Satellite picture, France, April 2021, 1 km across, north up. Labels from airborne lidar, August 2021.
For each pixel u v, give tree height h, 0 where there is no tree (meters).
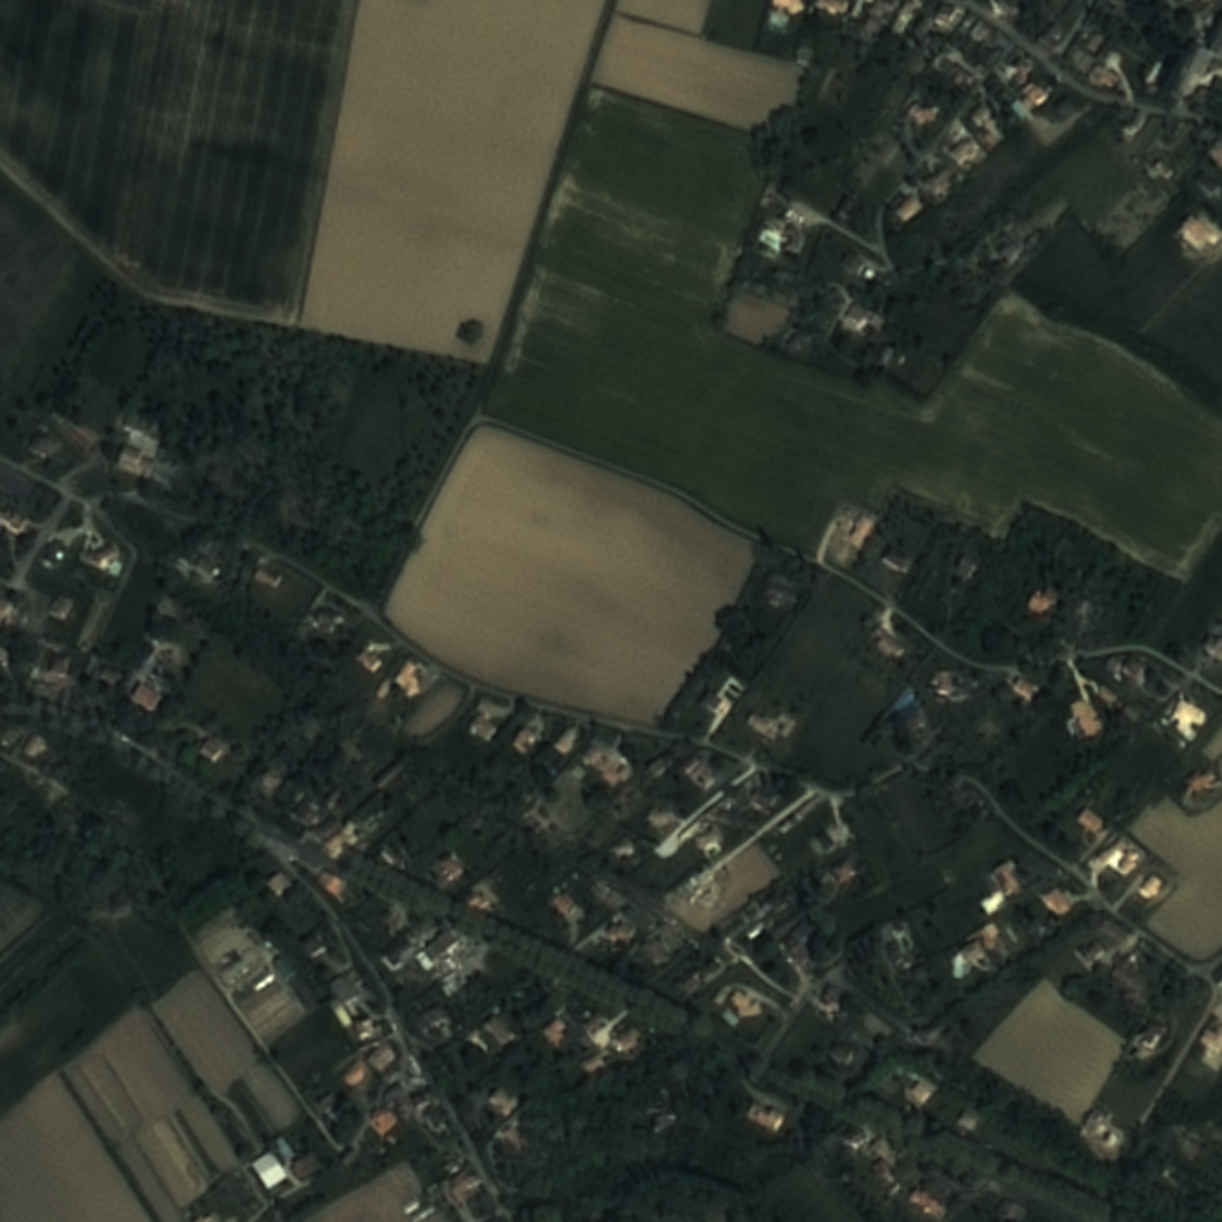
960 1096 11
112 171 0
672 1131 7
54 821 10
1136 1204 17
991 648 15
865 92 0
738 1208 13
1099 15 8
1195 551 0
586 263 0
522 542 0
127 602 0
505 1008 6
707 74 0
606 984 25
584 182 0
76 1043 6
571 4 0
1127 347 0
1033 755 0
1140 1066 8
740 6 0
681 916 0
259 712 0
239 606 6
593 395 0
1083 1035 0
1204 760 0
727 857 0
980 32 0
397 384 0
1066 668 6
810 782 12
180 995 0
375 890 21
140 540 11
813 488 0
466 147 0
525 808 13
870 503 0
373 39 0
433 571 0
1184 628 0
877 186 0
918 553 0
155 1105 0
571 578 0
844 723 0
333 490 7
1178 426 0
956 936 0
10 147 0
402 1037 0
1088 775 8
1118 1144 0
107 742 20
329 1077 0
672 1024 23
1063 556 10
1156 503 0
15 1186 0
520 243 0
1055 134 0
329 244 0
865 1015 8
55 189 0
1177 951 0
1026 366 0
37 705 18
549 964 25
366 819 0
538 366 0
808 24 8
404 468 11
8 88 0
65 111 0
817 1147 13
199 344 7
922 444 0
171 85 0
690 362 0
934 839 0
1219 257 0
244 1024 0
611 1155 13
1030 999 0
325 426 9
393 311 0
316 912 7
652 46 0
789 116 10
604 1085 18
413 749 6
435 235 0
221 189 0
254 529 11
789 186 6
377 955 11
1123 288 0
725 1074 18
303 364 12
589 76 0
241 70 0
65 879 9
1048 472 0
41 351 0
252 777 8
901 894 0
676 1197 24
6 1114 0
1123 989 10
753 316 0
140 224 0
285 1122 0
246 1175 0
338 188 0
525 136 0
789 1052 0
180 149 0
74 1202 0
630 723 0
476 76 0
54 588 0
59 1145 0
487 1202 12
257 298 0
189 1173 0
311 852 0
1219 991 0
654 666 0
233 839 9
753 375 0
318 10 0
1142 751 0
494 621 0
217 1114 8
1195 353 0
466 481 0
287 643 11
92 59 0
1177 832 0
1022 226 12
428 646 0
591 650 0
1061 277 0
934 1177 15
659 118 0
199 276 0
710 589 0
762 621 0
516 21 0
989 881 0
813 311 11
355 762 10
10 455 0
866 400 0
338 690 7
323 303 0
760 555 12
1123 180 0
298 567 0
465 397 5
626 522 0
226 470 11
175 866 10
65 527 0
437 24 0
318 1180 7
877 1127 23
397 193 0
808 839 0
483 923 23
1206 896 0
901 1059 14
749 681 9
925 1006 14
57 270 0
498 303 0
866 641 0
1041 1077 0
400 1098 0
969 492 0
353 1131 8
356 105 0
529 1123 7
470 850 0
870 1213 14
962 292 6
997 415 0
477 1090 13
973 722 6
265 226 0
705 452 0
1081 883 0
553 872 13
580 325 0
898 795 0
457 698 0
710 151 0
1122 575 7
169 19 0
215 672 0
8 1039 0
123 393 7
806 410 0
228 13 0
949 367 5
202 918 14
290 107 0
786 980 7
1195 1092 0
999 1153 0
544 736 6
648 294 0
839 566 0
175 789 15
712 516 0
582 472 0
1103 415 0
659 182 0
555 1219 27
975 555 7
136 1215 0
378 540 14
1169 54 11
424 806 6
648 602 0
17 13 0
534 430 0
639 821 0
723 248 0
